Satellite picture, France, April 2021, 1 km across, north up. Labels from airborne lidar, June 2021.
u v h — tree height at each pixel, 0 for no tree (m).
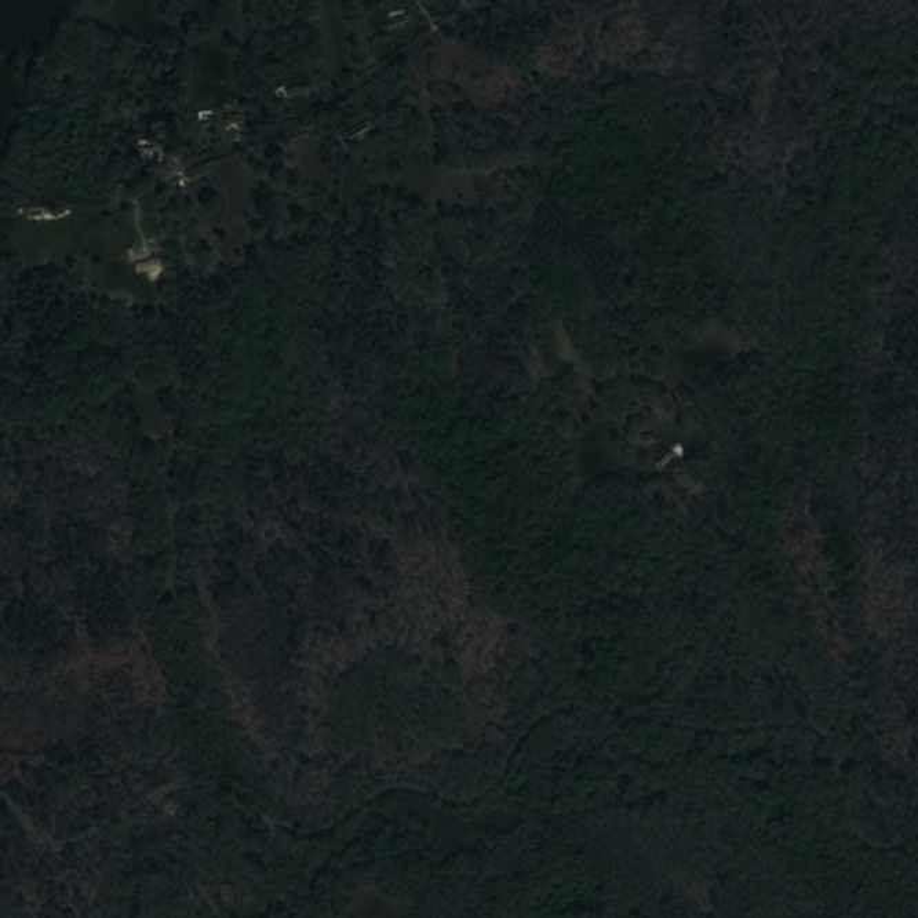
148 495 18
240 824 27
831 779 26
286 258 26
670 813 19
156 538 18
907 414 9
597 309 13
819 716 16
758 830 20
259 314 25
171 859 5
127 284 0
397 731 17
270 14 17
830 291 25
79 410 24
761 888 18
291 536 10
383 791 10
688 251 18
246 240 0
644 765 25
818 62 15
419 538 11
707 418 21
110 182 8
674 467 0
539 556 15
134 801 10
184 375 20
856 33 18
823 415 18
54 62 17
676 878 21
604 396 23
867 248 23
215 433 13
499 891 16
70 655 21
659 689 11
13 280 16
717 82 13
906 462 10
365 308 24
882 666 12
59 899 23
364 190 17
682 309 17
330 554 14
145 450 23
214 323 25
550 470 22
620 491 21
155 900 22
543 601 15
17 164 14
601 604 15
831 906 20
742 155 14
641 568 18
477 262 9
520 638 18
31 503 21
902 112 9
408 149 12
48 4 0
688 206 18
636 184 14
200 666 12
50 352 20
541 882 21
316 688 14
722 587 13
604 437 0
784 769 24
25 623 21
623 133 18
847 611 13
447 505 20
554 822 18
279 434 11
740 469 24
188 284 24
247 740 11
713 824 13
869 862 17
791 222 12
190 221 15
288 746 8
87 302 20
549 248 15
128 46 17
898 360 11
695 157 17
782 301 17
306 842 18
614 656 19
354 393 14
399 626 10
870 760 17
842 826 24
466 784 19
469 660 10
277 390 24
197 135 7
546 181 20
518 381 21
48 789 23
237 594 20
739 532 12
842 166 23
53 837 8
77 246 0
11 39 0
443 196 0
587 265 12
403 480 13
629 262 15
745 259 13
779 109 12
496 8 15
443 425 22
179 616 25
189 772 11
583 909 12
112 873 19
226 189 0
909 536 11
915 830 17
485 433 25
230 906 25
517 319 13
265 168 11
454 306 7
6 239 20
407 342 25
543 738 13
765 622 19
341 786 12
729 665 15
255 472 14
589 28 9
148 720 7
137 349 20
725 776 27
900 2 13
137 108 11
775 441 22
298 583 6
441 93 15
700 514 19
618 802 11
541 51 13
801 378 14
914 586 10
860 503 11
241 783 18
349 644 13
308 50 20
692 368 0
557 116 25
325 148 10
